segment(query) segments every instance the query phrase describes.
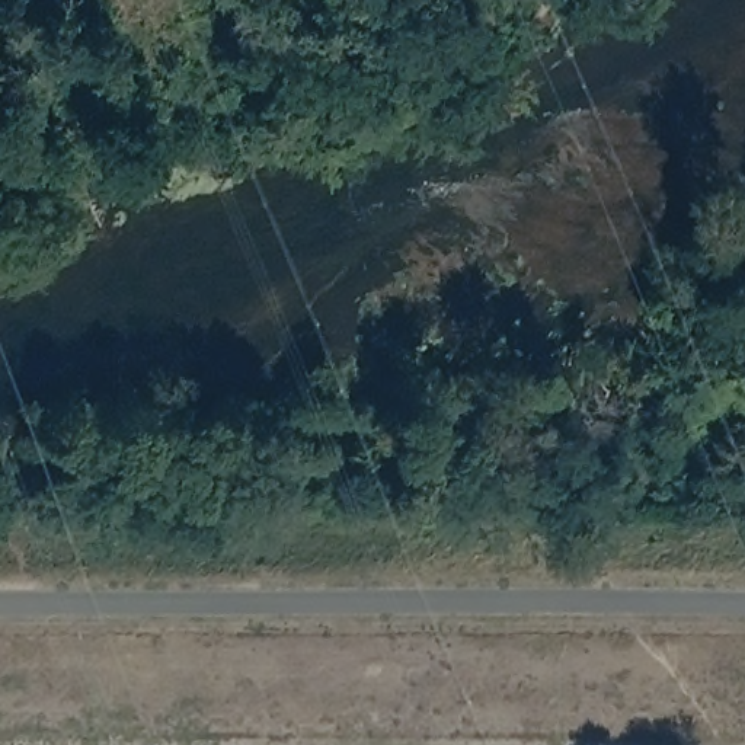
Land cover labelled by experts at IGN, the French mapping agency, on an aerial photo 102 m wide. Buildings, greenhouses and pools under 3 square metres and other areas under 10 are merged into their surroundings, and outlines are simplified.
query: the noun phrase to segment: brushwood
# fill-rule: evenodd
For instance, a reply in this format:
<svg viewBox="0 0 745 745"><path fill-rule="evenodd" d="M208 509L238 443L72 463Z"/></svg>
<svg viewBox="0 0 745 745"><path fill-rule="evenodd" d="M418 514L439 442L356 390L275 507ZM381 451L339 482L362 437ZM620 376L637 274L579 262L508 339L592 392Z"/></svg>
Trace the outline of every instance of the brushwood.
<svg viewBox="0 0 745 745"><path fill-rule="evenodd" d="M608 567L745 567L745 541L725 538L713 527L693 530L681 524L655 521L629 524L614 530L605 541L588 535L579 553L559 573L567 582L579 582L599 576Z"/></svg>
<svg viewBox="0 0 745 745"><path fill-rule="evenodd" d="M87 576L108 570L137 570L143 576L224 573L250 579L259 567L285 573L320 573L346 565L375 567L381 562L393 562L396 567L405 567L413 562L425 562L428 556L451 559L463 550L466 541L405 541L393 533L381 533L378 527L361 535L323 535L311 533L311 527L306 524L291 530L279 547L250 550L242 544L224 544L192 559L169 556L157 547L131 544L113 544L108 556L96 556L90 550L76 550L67 538L32 541L26 535L12 533L6 538L0 535L0 582L6 576L38 579L49 570L81 567L87 570Z"/></svg>

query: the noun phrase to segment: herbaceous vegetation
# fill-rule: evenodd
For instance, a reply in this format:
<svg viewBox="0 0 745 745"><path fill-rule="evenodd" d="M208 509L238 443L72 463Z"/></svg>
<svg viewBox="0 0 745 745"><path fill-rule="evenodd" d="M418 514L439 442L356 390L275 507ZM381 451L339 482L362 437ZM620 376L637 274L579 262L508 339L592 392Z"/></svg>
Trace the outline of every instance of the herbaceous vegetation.
<svg viewBox="0 0 745 745"><path fill-rule="evenodd" d="M212 23L210 61L224 64L233 61L242 49L242 29L236 29L236 17L230 12L218 12Z"/></svg>
<svg viewBox="0 0 745 745"><path fill-rule="evenodd" d="M166 23L172 15L186 9L186 0L29 0L29 29L58 29L61 15L67 9L76 15L76 23L81 23L84 32L96 32L99 26L113 20L113 26L122 35L128 35L140 20L146 20L148 26Z"/></svg>
<svg viewBox="0 0 745 745"><path fill-rule="evenodd" d="M672 620L661 620L661 614L597 611L402 611L393 617L163 614L157 620L146 614L6 614L0 620L0 745L745 745L745 620L728 620L716 614L672 614Z"/></svg>
<svg viewBox="0 0 745 745"><path fill-rule="evenodd" d="M81 134L76 137L81 143L96 143L105 131L122 131L128 137L137 134L134 122L122 119L122 113L108 99L93 96L87 84L76 84L70 90L67 108L81 122Z"/></svg>
<svg viewBox="0 0 745 745"><path fill-rule="evenodd" d="M49 486L73 483L73 474L55 466L32 466L26 460L15 460L17 486L32 498L47 492Z"/></svg>
<svg viewBox="0 0 745 745"><path fill-rule="evenodd" d="M224 573L143 576L137 570L108 570L87 576L87 570L81 567L49 570L38 579L6 576L0 582L0 588L35 594L745 594L745 567L608 567L599 576L579 582L567 582L559 573L547 567L547 562L518 565L512 556L489 553L480 544L466 541L463 550L451 559L428 556L425 562L413 562L405 567L396 567L393 562L381 562L375 567L346 565L320 573L285 573L259 567L250 579Z"/></svg>
<svg viewBox="0 0 745 745"><path fill-rule="evenodd" d="M378 480L390 489L390 501L399 501L405 477L399 471L399 463L393 457L378 457Z"/></svg>
<svg viewBox="0 0 745 745"><path fill-rule="evenodd" d="M640 422L640 405L646 396L634 396L634 381L629 381L629 370L617 367L611 352L599 349L594 358L576 361L576 375L565 381L567 393L576 399L576 407L547 416L541 425L533 428L535 437L556 431L565 442L588 442L588 437L608 434L617 434L623 439L626 422Z"/></svg>

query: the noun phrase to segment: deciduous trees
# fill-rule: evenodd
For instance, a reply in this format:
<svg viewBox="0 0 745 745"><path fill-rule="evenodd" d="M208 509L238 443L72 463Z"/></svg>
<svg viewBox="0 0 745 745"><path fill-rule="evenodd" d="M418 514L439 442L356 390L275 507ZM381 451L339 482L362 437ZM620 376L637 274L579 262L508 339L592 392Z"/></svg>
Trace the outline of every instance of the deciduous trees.
<svg viewBox="0 0 745 745"><path fill-rule="evenodd" d="M582 47L608 44L611 38L652 44L658 35L666 32L666 12L675 6L675 0L186 0L186 9L172 15L166 23L148 26L146 20L140 20L128 35L122 35L113 26L113 20L99 26L96 32L84 32L81 23L76 23L76 15L67 9L61 15L58 29L29 29L29 0L0 0L0 297L23 300L38 291L47 291L61 276L61 271L79 262L84 247L93 242L93 233L102 227L102 215L111 207L131 207L134 212L143 212L166 201L166 183L175 166L207 172L210 178L233 178L236 186L256 178L259 169L285 169L303 178L314 178L329 189L340 189L367 183L370 172L381 169L387 160L402 163L437 157L451 163L477 163L483 157L483 140L489 134L512 128L518 116L530 116L527 102L518 99L518 84L530 73L530 64L535 58L556 49L562 29L570 29ZM233 61L224 64L210 61L212 23L218 12L230 12L236 17L236 29L242 29L242 49ZM87 84L93 96L108 99L122 113L122 119L134 122L137 134L128 137L122 131L105 131L96 143L81 143L76 137L81 134L81 122L67 108L70 90L76 84Z"/></svg>
<svg viewBox="0 0 745 745"><path fill-rule="evenodd" d="M579 553L588 535L605 541L614 530L629 524L655 521L681 524L693 530L713 527L725 538L745 541L745 192L716 192L710 201L693 207L696 244L690 250L655 250L649 279L655 288L661 288L661 303L649 306L646 326L640 329L643 335L626 343L623 352L611 352L617 367L629 370L629 381L634 381L634 396L646 396L640 405L640 422L626 422L623 439L617 434L608 434L588 437L588 442L565 442L556 431L535 437L533 428L541 425L547 416L576 407L576 399L567 393L565 381L533 378L524 367L512 364L506 367L506 373L457 375L448 387L428 381L425 416L416 425L390 431L384 437L381 413L355 413L349 405L349 381L358 378L358 364L352 358L338 367L314 370L311 381L303 387L303 399L282 396L276 402L233 402L221 413L218 425L207 431L192 431L195 410L186 402L198 396L198 387L195 381L180 381L175 390L154 387L148 410L140 410L137 416L122 410L119 416L108 419L108 425L102 425L99 431L93 405L79 402L67 407L64 402L52 402L47 407L32 407L26 413L26 439L0 439L0 535L6 538L12 533L26 535L32 541L67 538L76 550L90 550L96 556L108 556L113 544L131 544L157 547L169 556L192 559L224 544L242 544L250 550L279 547L291 530L306 524L311 527L311 533L323 535L361 535L378 527L381 533L393 533L405 541L466 541L480 544L489 553L512 556L518 565L547 562L547 567L559 573ZM393 457L399 463L399 471L405 477L399 501L390 501L390 489L378 480L378 457ZM32 466L55 466L73 474L73 483L49 486L47 492L32 498L17 486L15 460L26 460Z"/></svg>

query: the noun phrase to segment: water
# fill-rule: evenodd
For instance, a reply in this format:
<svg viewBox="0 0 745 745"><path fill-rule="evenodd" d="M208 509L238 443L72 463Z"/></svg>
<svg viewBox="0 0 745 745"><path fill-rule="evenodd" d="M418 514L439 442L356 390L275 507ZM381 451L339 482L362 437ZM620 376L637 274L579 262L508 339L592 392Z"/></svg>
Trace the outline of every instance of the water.
<svg viewBox="0 0 745 745"><path fill-rule="evenodd" d="M303 178L285 169L259 169L256 178L236 186L227 192L192 195L186 201L166 201L143 212L134 212L131 207L111 207L102 215L102 227L93 233L93 242L84 247L79 262L61 271L61 276L47 291L38 291L23 300L0 297L0 439L26 439L26 413L32 407L47 407L52 402L64 402L67 407L79 402L93 405L99 431L102 425L108 425L108 419L119 416L122 410L137 416L140 410L148 410L154 387L175 390L180 381L195 381L198 387L198 396L186 402L195 410L192 431L207 431L218 425L221 413L233 402L276 402L282 396L303 399L303 387L311 381L314 370L338 367L352 358L358 364L358 378L349 381L349 405L355 413L381 413L384 437L390 431L416 425L425 416L428 381L448 387L457 375L506 373L506 367L512 364L524 367L533 378L565 381L576 375L576 361L594 358L599 349L611 352L623 352L626 343L643 335L640 329L646 326L649 306L661 303L661 288L655 288L649 279L655 250L690 250L696 244L693 207L710 201L716 192L745 192L745 0L675 0L675 6L666 12L666 32L658 35L652 44L611 38L608 44L582 47L570 29L562 29L556 49L535 58L530 64L530 73L518 84L518 99L527 102L530 116L518 116L512 128L489 134L483 140L483 157L477 163L451 163L437 157L402 163L387 160L381 169L370 172L367 183L340 189L329 189L314 178Z"/></svg>

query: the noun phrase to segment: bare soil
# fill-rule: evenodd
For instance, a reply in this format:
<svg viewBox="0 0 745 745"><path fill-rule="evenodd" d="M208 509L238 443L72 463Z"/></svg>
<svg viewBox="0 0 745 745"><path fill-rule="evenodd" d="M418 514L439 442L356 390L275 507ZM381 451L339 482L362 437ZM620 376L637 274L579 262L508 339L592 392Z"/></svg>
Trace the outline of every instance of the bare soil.
<svg viewBox="0 0 745 745"><path fill-rule="evenodd" d="M233 178L210 178L207 172L175 166L166 183L166 201L186 201L192 195L227 192L236 186Z"/></svg>

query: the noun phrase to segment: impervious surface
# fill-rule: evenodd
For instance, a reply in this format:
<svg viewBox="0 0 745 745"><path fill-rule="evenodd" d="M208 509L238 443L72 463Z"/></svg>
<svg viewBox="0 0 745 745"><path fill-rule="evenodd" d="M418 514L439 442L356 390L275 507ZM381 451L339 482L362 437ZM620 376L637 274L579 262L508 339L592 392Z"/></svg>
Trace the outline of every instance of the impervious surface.
<svg viewBox="0 0 745 745"><path fill-rule="evenodd" d="M745 620L745 594L35 594L0 588L0 620L6 614L146 614L157 620L163 614L393 617L402 611L597 611L661 614L661 620L672 620L672 614L716 614L728 620Z"/></svg>

